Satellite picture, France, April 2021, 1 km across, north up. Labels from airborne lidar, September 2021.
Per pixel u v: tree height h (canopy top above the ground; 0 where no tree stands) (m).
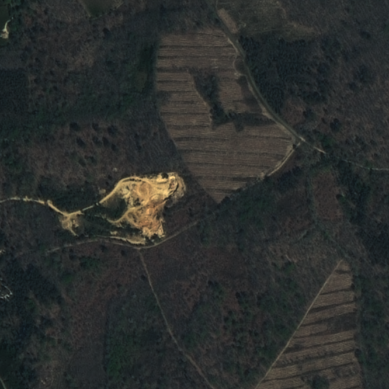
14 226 7
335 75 12
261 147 0
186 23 18
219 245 17
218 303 23
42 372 0
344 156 10
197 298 8
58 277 21
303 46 15
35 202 17
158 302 16
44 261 25
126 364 24
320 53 17
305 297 17
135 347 23
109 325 19
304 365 0
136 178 0
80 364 13
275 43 24
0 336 16
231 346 13
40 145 20
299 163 19
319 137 21
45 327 24
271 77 17
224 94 0
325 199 7
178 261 7
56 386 0
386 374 16
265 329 9
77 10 13
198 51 0
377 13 19
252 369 17
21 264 13
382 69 17
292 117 7
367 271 14
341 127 27
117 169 16
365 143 18
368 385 17
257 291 17
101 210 10
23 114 22
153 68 17
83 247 6
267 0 0
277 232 13
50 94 14
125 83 18
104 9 0
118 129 14
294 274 14
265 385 0
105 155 16
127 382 23
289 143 0
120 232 8
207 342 17
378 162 16
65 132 15
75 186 8
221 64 0
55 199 14
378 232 14
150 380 10
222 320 14
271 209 17
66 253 22
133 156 14
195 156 0
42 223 14
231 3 0
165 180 0
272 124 13
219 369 17
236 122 20
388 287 14
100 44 21
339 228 13
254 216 23
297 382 0
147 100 19
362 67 16
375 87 25
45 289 28
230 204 24
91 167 18
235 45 0
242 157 0
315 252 18
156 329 7
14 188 21
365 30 24
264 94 20
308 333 0
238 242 23
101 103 18
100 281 7
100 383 13
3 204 12
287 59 18
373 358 23
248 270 16
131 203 0
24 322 19
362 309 14
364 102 12
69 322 17
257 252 17
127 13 6
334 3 23
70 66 6
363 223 18
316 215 18
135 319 15
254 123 16
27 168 17
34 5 22
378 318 16
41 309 16
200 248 10
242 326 13
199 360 18
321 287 16
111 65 24
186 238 9
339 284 0
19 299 20
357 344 17
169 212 17
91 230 5
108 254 19
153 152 13
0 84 24
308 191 21
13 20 13
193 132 0
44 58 18
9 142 20
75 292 21
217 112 17
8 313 14
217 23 13
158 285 10
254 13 0
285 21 0
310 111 15
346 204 22
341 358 0
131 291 14
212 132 0
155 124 16
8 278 19
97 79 13
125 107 19
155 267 8
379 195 12
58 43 15
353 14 22
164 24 19
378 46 20
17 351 22
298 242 12
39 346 17
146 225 0
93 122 13
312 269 12
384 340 15
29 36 23
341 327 0
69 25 10
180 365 17
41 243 17
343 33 19
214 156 0
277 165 0
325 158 19
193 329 17
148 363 9
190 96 0
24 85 26
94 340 8
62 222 0
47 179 17
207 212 20
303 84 17
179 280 9
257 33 0
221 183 0
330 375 0
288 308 19
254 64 20
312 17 18
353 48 15
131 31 16
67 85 20
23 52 22
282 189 21
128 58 23
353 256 17
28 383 11
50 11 21
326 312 0
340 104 11
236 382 13
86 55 18
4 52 20
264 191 17
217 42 0
